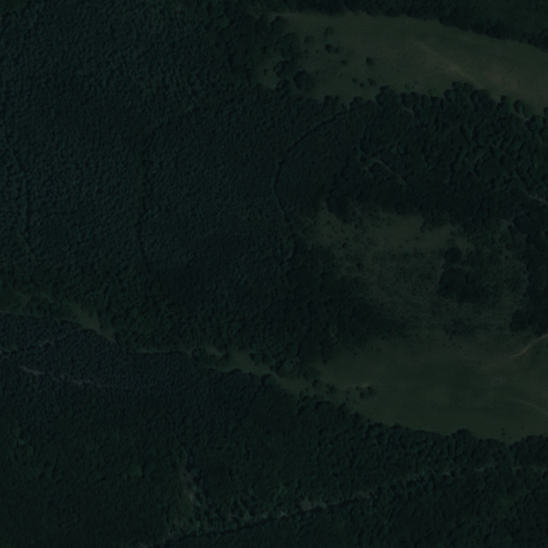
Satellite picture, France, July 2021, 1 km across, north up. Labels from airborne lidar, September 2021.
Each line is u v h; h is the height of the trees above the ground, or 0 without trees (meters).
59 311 15
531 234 29
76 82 23
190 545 27
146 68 26
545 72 0
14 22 27
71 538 30
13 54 19
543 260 9
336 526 26
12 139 33
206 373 7
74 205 21
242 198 21
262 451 27
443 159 19
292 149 17
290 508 21
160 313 20
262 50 10
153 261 25
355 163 28
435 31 0
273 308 23
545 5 7
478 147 7
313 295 16
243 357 0
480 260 9
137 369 27
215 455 29
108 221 28
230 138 22
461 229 7
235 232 22
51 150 30
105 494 28
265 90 15
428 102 28
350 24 0
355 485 25
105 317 21
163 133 21
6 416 29
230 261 20
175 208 22
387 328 7
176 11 10
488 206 28
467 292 25
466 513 16
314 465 27
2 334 22
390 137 30
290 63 19
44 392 18
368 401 0
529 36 17
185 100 17
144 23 26
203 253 20
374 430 28
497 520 12
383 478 30
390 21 0
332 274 17
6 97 21
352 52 0
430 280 9
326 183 16
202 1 9
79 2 17
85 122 31
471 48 0
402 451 27
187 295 19
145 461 22
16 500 32
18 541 33
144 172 10
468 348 0
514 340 0
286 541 23
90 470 32
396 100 30
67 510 31
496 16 7
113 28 30
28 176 32
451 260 22
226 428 23
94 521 28
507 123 34
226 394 27
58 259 25
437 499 28
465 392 0
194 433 23
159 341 15
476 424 0
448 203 25
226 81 16
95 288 15
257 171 28
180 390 29
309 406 21
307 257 16
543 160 28
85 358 28
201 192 23
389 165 28
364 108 13
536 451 23
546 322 15
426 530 14
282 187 19
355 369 0
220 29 20
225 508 29
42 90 23
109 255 25
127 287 20
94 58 26
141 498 28
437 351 0
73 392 30
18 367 28
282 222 20
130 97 24
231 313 21
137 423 17
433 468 23
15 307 8
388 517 23
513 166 35
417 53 0
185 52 24
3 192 27
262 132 20
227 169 25
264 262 22
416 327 6
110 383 30
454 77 0
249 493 31
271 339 27
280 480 25
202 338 21
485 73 0
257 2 27
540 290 6
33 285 21
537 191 26
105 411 19
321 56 0
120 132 20
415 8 22
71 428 31
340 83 0
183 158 29
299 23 0
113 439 33
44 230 25
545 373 0
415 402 0
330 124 16
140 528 30
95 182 32
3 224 24
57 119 21
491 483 17
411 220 0
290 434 31
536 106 0
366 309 9
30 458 32
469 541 27
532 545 30
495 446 19
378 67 0
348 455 30
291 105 19
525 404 0
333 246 6
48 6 16
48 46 26
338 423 27
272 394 31
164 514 28
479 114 32
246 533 26
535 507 21
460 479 24
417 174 27
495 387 0
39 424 22
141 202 20
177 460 28
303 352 27
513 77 0
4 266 19
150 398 30
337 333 27
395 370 0
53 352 27
